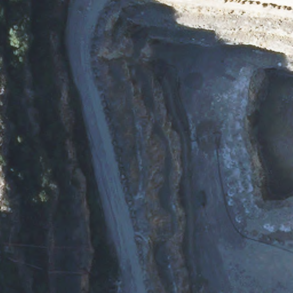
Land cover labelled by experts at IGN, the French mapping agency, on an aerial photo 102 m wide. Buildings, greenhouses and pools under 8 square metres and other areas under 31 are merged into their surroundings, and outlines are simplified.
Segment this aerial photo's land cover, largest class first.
<instances>
[{"label":"pervious surface","instance_id":"1","mask_svg":"<svg viewBox=\"0 0 293 293\"><path fill-rule=\"evenodd\" d=\"M14 25L26 27L27 49L23 62L18 61L14 54L15 47L10 45L9 30ZM0 293H293V0H0Z\"/></svg>","mask_w":293,"mask_h":293},{"label":"deciduous trees","instance_id":"2","mask_svg":"<svg viewBox=\"0 0 293 293\"><path fill-rule=\"evenodd\" d=\"M10 45L15 47L14 54L18 61L23 62L27 49L26 27L14 25L9 30Z\"/></svg>","mask_w":293,"mask_h":293}]
</instances>
